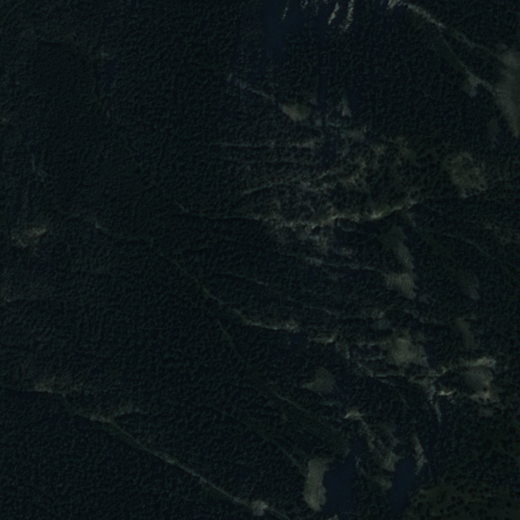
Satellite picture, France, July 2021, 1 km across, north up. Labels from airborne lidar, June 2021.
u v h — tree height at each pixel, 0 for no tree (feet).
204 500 51
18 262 60
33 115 42
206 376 87
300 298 37
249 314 39
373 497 63
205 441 57
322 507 0
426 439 62
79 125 53
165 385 99
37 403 105
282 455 85
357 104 31
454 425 74
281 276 48
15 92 51
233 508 86
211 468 32
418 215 38
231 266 82
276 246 35
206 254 56
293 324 22
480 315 37
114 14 40
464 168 26
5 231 52
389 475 43
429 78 92
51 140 66
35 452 77
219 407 93
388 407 104
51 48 63
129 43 74
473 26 75
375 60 74
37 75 63
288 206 28
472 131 39
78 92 47
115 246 52
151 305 58
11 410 45
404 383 28
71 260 66
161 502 92
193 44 45
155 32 70
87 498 86
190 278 23
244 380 92
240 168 25
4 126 52
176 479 22
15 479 87
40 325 47
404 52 51
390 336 43
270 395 20
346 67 104
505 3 50
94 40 38
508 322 33
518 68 0
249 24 23
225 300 72
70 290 54
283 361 37
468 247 34
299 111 0
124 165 61
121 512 80
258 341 88
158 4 57
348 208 23
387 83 79
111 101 27
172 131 59
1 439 51
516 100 0
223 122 31
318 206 23
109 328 58
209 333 82
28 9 49
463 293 29
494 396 0
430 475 72
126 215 52
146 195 57
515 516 0
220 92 63
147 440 40
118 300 65
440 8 35
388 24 25
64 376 43
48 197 26
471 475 31
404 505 51
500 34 26
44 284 39
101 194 37
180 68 44
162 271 69
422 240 63
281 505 45
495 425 37
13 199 50
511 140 36
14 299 40
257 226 27
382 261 75
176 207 43
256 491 60
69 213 43
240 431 81
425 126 81
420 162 37
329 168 31
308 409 52
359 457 21
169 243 95
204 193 76
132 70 65
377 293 59
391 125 35
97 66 27
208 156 57
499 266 28
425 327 21
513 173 35
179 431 71
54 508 54
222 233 50
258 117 54
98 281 49
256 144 38
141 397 61
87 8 71
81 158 89
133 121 67
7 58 51
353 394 48
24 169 56
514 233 20
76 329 72
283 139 22
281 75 40
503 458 70
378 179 41
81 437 83
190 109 55
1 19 26
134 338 53
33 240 22
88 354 28
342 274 38
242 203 62
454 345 61
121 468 107
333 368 43
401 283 0
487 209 53
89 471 97
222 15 85
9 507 101
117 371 59
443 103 83
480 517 22
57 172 40
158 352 53
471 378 0
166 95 76
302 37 71
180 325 97
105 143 43
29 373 31
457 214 43
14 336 52
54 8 18
